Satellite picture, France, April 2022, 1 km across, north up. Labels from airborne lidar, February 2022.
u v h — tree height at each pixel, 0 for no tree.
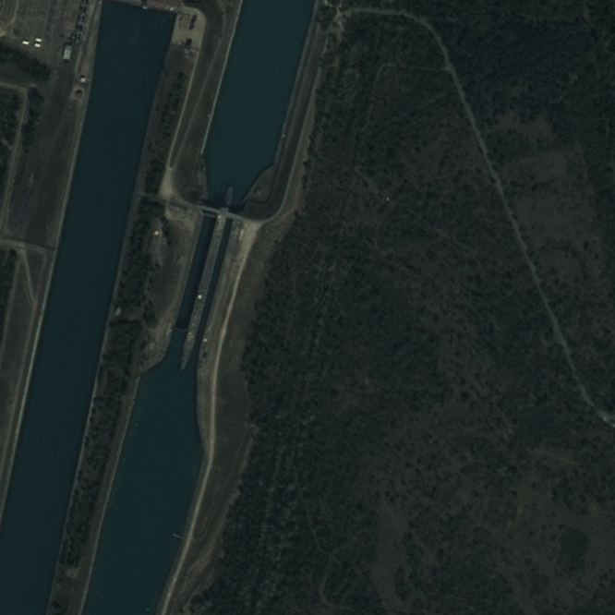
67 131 0
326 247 14
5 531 0
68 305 0
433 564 0
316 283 8
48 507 0
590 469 9
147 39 0
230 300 0
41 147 0
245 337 0
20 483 0
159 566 0
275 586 16
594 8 11
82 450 0
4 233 0
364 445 14
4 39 0
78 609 0
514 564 7
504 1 16
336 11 7
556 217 0
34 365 0
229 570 16
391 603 0
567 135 10
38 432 0
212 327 0
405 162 0
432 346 7
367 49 18
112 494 0
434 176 0
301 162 0
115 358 12
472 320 14
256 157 0
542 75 15
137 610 0
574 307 12
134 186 0
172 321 0
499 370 7
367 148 8
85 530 11
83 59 0
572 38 15
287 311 9
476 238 11
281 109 0
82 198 0
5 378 0
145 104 0
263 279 0
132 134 0
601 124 11
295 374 7
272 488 18
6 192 0
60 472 0
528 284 11
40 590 0
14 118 15
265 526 19
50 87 0
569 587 0
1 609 0
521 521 0
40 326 0
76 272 0
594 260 0
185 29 0
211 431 0
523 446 14
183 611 9
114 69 0
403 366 15
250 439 0
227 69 0
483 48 13
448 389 18
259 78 0
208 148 0
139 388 0
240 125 0
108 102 0
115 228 0
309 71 0
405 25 10
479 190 0
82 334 0
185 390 0
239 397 0
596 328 0
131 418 0
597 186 9
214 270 0
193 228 0
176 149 0
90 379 0
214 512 0
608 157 14
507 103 13
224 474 0
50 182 0
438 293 14
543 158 0
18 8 0
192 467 0
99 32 0
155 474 0
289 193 0
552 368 0
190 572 0
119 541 0
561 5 11
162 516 0
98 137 0
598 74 17
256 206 0
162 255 0
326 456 13
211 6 0
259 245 0
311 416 13
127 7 0
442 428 11
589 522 0
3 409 0
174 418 0
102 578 0
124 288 7
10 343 0
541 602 0
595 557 0
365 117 0
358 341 12
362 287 15
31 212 0
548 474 12
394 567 0
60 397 0
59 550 0
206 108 0
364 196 0
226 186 0
